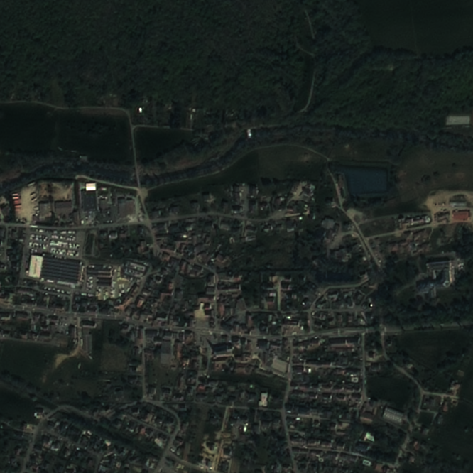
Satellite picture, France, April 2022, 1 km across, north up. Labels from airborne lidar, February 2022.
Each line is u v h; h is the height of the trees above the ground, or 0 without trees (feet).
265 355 0
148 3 79
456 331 0
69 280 0
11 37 89
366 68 61
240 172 0
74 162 34
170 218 0
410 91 70
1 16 72
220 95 60
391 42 0
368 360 0
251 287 0
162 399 0
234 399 0
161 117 55
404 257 0
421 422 0
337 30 79
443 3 0
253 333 0
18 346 0
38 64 62
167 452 0
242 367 0
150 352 0
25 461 0
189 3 65
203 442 0
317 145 30
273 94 55
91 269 0
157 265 50
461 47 0
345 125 65
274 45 33
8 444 64
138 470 0
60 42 91
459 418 0
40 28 82
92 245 0
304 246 52
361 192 0
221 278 0
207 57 77
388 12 0
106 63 84
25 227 0
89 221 0
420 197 0
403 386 0
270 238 0
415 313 80
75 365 0
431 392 23
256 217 0
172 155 61
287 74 39
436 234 0
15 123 0
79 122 0
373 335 17
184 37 87
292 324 0
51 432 0
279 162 0
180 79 67
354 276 32
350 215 0
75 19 84
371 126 76
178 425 0
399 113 57
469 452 0
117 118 0
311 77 0
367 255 0
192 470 0
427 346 0
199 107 22
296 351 0
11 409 0
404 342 0
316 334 0
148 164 58
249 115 75
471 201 0
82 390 0
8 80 43
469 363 0
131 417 0
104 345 0
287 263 0
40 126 0
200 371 0
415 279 72
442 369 47
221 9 79
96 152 0
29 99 25
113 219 0
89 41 75
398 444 54
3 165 0
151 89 54
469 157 0
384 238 0
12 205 29
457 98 22
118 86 54
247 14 68
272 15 78
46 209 0
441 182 0
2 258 0
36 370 0
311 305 0
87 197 0
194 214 0
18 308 0
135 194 0
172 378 0
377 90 24
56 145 0
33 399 35
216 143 74
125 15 83
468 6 0
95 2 83
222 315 0
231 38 91
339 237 0
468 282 61
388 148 0
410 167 0
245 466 35
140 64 85
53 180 25
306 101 0
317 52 28
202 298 0
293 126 36
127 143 0
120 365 0
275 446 41
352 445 39
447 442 0
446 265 0
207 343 0
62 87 56
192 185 0
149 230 0
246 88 74
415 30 0
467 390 0
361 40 66
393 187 63
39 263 0
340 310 0
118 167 50
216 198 0
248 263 37
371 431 32
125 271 0
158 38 98
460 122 0
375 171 0
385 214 0
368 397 0
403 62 61
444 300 0
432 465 73
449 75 56
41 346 0
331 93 20
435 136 74
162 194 0
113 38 88
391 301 52
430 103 69
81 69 79
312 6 55
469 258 63
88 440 19
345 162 0
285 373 0
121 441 65
